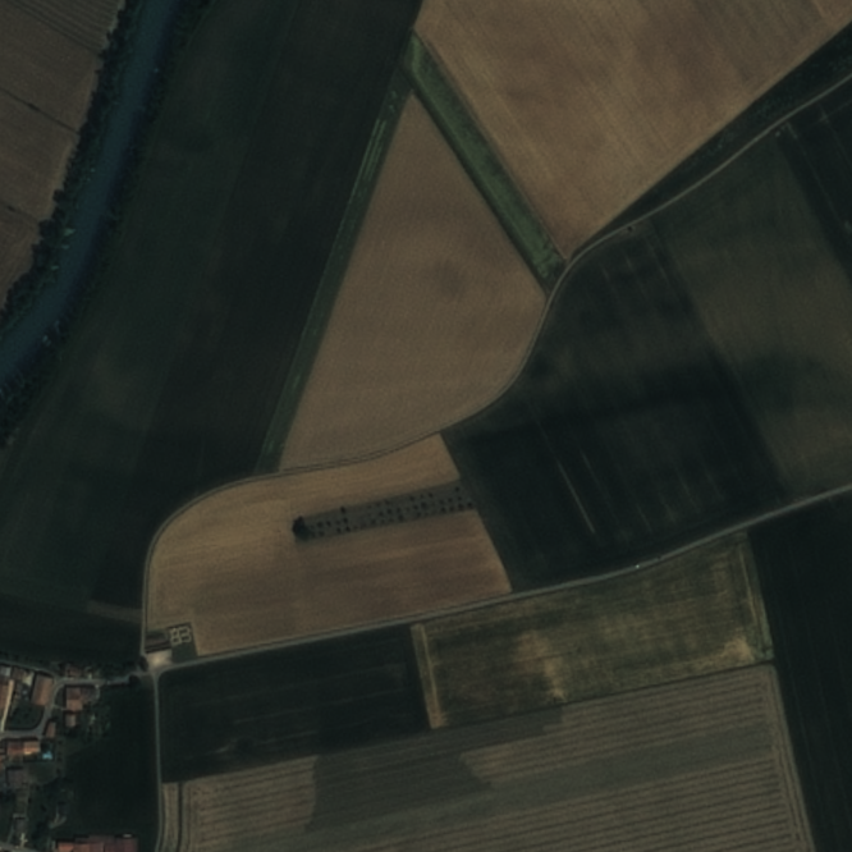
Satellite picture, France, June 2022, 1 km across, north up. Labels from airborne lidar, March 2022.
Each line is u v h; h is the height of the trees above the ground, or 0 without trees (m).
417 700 0
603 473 0
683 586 0
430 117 0
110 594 0
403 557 0
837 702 0
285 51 0
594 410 0
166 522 0
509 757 0
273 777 0
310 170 0
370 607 0
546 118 0
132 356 0
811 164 0
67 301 0
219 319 0
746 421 0
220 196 0
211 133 0
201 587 0
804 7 0
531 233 0
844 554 0
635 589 0
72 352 0
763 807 0
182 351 0
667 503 0
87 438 0
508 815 0
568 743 0
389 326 0
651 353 0
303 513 0
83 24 0
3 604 0
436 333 0
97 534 0
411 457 0
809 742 0
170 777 0
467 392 0
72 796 0
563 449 0
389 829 0
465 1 0
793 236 0
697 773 0
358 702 0
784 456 0
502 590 0
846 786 0
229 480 0
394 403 0
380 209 0
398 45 0
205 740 0
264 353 0
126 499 0
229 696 0
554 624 0
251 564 0
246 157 0
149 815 0
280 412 0
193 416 0
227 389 0
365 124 0
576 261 0
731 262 0
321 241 0
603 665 0
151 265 0
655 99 0
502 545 0
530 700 0
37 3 0
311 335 0
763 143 0
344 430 0
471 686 0
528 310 0
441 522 0
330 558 0
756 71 0
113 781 0
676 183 0
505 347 0
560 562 0
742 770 0
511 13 0
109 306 0
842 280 0
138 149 16
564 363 0
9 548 0
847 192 0
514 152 0
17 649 0
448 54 0
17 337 0
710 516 0
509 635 0
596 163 0
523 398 0
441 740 0
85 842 0
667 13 0
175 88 0
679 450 0
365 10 0
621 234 0
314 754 0
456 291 0
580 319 0
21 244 0
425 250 0
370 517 0
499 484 0
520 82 0
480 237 0
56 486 0
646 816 0
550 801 0
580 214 0
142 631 0
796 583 0
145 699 0
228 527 0
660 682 0
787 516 0
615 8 0
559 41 0
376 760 0
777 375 0
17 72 0
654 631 0
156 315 0
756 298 0
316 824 0
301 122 0
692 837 0
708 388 0
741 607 0
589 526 0
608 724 0
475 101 0
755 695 0
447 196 0
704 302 0
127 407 0
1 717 0
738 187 0
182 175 0
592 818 0
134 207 0
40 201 0
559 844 0
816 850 0
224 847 0
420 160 0
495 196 0
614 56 0
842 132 0
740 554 0
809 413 0
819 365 0
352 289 0
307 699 0
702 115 0
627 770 0
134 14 11
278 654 0
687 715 0
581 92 0
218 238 0
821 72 0
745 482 0
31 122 0
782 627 0
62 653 0
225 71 0
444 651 0
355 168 0
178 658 0
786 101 0
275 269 0
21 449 0
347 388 0
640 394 0
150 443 0
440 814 0
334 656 0
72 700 0
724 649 0
